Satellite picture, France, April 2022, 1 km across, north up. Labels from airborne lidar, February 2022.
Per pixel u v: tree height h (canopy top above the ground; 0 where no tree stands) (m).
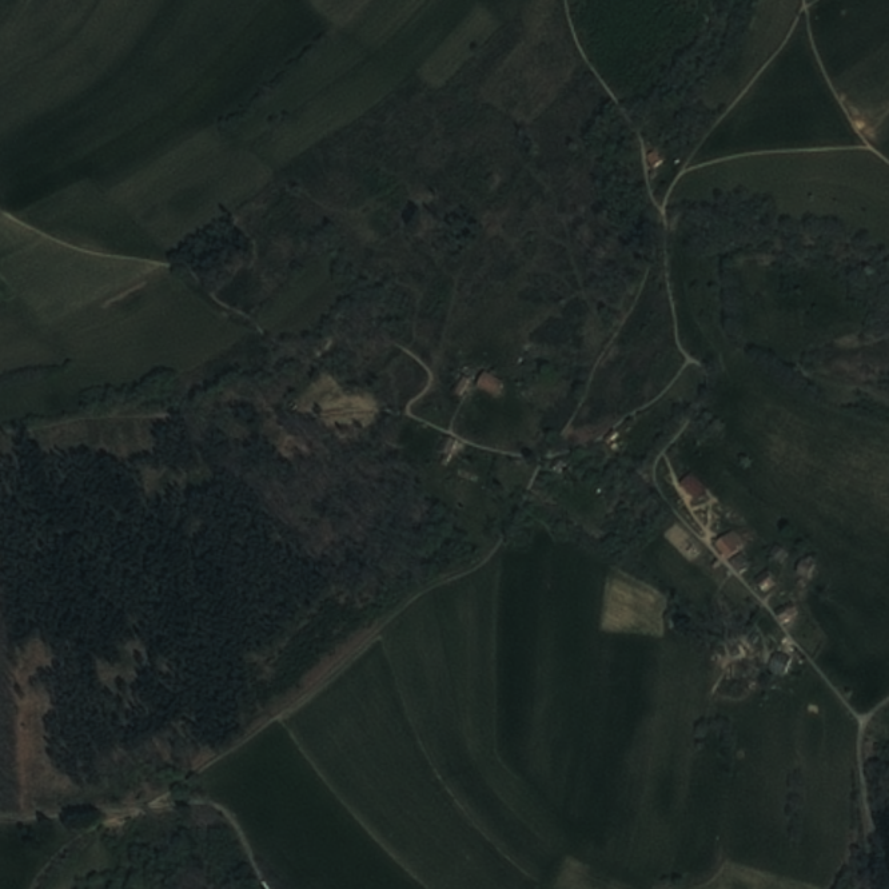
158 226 0
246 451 28
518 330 0
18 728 26
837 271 10
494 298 0
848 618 0
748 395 0
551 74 0
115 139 0
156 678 24
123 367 0
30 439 27
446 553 19
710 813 0
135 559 25
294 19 0
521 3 0
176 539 27
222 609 25
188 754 30
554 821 0
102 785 23
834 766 0
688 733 0
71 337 0
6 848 0
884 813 16
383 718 0
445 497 0
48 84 0
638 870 0
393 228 0
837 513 0
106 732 26
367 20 0
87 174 0
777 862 0
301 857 0
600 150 24
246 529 26
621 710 0
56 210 0
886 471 0
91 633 25
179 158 0
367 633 0
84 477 24
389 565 26
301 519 30
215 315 0
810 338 0
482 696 0
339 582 24
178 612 28
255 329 15
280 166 0
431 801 0
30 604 28
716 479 0
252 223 0
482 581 0
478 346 0
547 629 0
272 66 0
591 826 0
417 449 0
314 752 0
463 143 0
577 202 0
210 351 0
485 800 0
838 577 0
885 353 0
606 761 0
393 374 0
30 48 0
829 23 0
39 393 0
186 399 19
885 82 0
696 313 0
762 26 0
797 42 0
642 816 0
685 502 0
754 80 0
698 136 19
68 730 24
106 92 0
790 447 0
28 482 23
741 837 0
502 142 0
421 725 0
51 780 0
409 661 0
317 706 0
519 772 0
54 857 0
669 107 20
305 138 0
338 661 0
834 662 0
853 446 0
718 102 0
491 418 0
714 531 0
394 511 27
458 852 0
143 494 27
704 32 13
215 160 0
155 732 27
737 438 0
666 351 0
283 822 0
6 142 0
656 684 0
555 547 0
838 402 0
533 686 0
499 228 0
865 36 0
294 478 30
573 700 0
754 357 17
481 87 0
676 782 0
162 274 0
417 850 0
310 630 7
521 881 0
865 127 0
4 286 0
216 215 0
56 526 21
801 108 0
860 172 0
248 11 0
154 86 0
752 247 9
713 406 13
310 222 0
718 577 0
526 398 0
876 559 0
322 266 0
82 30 0
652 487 17
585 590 0
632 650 0
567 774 0
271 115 0
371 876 0
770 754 0
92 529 27
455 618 0
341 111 0
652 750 0
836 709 0
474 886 0
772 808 0
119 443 0
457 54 0
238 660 26
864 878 16
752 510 0
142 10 0
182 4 0
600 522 0
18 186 0
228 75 0
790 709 0
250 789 0
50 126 0
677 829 0
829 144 0
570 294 0
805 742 0
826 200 0
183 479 27
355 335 24
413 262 0
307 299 0
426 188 0
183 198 0
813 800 0
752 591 0
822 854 0
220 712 26
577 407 0
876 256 11
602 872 0
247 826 0
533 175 0
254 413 28
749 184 0
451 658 0
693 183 0
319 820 0
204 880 30
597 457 7
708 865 0
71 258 0
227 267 28
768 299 0
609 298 25
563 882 0
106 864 0
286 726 0
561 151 0
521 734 0
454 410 0
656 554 0
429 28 0
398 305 15
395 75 0
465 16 0
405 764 0
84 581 23
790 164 0
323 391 0
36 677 0
